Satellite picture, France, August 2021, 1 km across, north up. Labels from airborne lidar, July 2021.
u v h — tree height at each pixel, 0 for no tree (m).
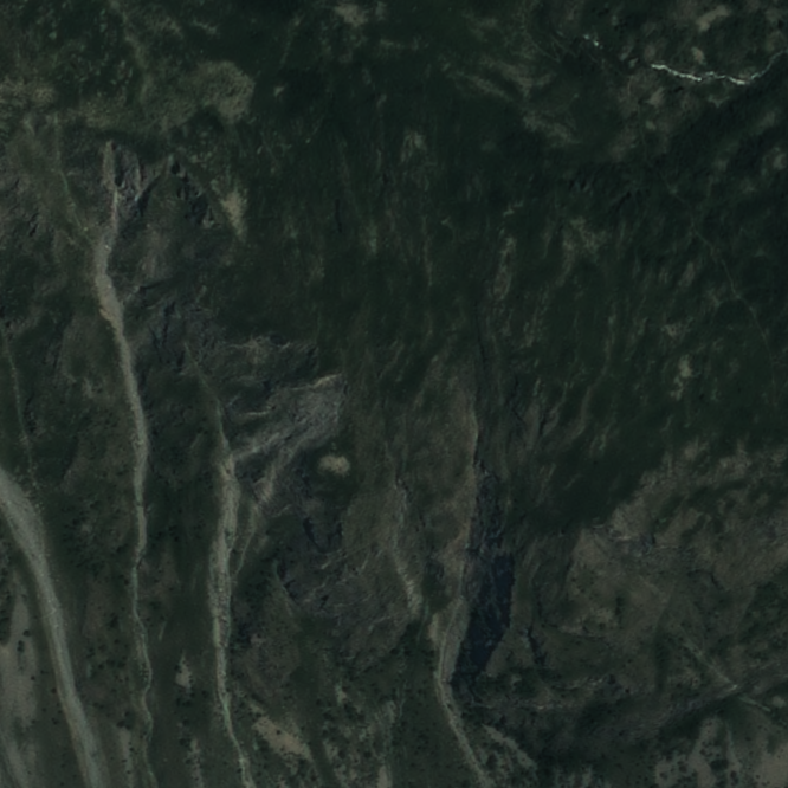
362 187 0
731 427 0
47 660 0
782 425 0
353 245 0
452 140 0
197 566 0
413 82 0
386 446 0
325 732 6
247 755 0
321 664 0
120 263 0
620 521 0
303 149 0
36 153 0
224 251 0
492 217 0
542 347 0
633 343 0
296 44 0
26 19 0
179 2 0
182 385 0
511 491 0
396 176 0
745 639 6
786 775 0
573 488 0
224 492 0
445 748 0
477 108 0
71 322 0
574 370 0
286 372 0
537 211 0
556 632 0
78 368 0
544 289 0
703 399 10
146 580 0
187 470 0
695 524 0
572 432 0
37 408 0
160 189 0
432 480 0
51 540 0
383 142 0
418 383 0
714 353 0
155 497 0
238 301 0
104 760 0
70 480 0
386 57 0
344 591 0
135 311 0
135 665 0
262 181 0
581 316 0
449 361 0
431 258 0
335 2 0
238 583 0
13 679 0
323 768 0
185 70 0
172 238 0
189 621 0
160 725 0
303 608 0
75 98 0
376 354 0
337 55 0
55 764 0
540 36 0
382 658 10
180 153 0
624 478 0
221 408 0
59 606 0
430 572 0
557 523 0
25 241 0
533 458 0
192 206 0
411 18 0
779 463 0
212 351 0
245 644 7
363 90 0
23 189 0
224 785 0
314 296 0
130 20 0
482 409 0
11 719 0
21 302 0
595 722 7
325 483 0
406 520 0
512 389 0
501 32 0
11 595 6
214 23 0
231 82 0
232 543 0
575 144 0
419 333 0
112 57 0
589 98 0
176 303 0
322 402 0
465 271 0
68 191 0
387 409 0
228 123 0
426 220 0
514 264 0
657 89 0
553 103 0
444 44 0
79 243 0
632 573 0
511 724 16
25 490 0
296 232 0
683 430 0
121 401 0
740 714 0
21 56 0
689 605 0
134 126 0
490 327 0
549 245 0
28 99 0
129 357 0
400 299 0
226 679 0
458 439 0
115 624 10
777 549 0
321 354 0
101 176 0
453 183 0
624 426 0
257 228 0
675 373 0
